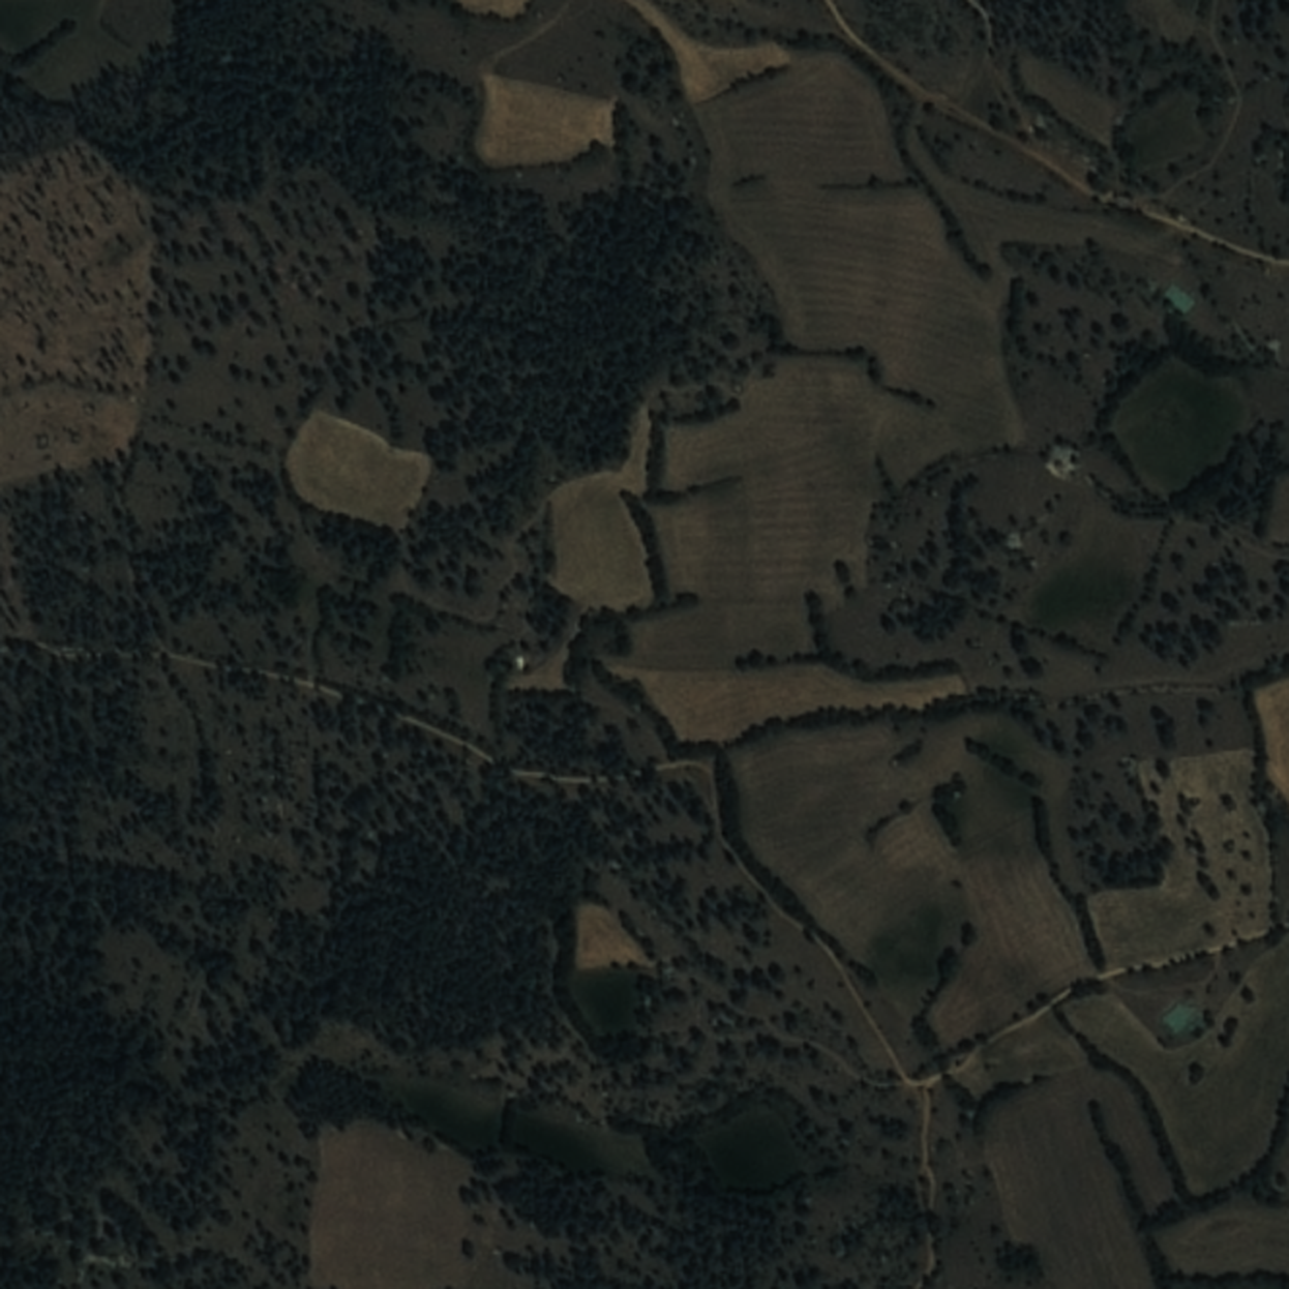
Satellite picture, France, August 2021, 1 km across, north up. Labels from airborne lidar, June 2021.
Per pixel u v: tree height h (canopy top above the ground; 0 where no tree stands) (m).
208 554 6
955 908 0
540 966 14
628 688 8
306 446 0
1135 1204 10
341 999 20
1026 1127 0
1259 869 0
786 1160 0
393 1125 11
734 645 0
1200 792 0
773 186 0
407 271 11
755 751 0
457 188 9
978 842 0
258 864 13
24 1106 16
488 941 12
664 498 8
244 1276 6
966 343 0
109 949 0
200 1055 13
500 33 0
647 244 9
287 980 15
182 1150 14
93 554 12
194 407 0
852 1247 10
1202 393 0
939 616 11
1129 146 8
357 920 17
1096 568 0
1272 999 0
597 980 0
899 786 0
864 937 0
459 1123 0
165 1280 11
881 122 0
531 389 15
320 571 0
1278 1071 0
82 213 11
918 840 0
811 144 0
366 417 0
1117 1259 0
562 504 0
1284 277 0
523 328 11
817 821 0
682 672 0
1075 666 0
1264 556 0
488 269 16
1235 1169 0
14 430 0
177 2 8
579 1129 0
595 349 14
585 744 10
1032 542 0
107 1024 15
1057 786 0
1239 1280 8
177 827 11
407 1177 0
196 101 11
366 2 0
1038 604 0
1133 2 0
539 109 0
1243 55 0
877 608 0
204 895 8
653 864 9
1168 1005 0
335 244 0
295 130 11
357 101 15
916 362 0
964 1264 0
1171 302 6
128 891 12
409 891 16
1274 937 7
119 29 0
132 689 9
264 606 8
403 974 17
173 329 0
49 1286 15
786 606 0
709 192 0
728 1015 11
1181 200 0
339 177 10
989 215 0
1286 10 13
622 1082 10
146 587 13
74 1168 12
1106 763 0
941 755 0
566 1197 7
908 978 0
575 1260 10
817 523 0
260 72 14
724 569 0
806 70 0
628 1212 12
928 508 0
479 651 0
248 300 12
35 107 10
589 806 11
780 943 0
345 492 0
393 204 11
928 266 0
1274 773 0
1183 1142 0
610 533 0
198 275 0
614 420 16
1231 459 8
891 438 0
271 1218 0
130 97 12
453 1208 0
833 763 0
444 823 13
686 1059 13
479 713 0
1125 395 8
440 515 16
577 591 0
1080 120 0
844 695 0
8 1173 16
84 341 0
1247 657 0
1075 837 11
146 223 8
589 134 0
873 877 0
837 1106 9
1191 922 0
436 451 15
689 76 0
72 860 10
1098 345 8
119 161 12
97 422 0
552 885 20
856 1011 0
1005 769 11
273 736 9
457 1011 17
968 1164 0
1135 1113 0
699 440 0
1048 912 0
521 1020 16
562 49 0
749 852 8
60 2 0
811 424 0
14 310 0
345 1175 0
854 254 0
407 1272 0
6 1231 14
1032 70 0
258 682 10
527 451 16
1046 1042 0
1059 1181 0
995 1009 0
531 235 10
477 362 15
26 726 13
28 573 10
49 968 9
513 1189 14
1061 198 0
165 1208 9
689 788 7
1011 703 6
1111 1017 0
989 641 0
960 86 0
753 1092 7
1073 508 0
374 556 10
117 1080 19
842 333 0
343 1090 19
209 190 13
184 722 0
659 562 7
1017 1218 0
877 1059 0
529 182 0
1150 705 0
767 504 0
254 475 11
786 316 0
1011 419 0
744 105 0
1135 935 0
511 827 17
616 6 0
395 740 9
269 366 11
